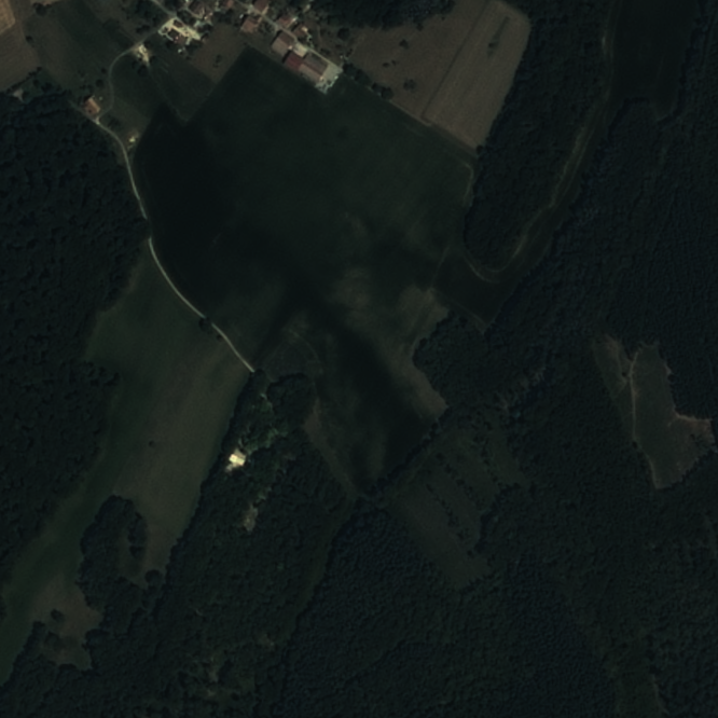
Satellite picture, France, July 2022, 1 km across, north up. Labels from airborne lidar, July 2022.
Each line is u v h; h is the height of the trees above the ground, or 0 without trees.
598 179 31
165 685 25
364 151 0
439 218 0
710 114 22
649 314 14
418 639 9
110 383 9
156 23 10
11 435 29
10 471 29
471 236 21
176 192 0
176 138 0
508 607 14
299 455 20
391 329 0
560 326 25
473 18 0
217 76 0
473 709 10
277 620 23
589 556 20
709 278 18
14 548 22
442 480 0
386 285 0
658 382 0
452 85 0
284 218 0
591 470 18
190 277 0
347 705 20
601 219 24
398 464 0
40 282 24
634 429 0
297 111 0
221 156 0
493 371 31
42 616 0
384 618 16
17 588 0
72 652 0
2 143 27
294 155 0
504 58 0
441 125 0
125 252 26
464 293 0
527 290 22
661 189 17
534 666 15
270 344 0
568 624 19
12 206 30
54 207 30
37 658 16
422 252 0
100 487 0
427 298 0
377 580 13
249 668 17
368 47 0
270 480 20
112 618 21
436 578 12
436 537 0
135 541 21
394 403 0
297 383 21
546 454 21
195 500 0
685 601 10
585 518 18
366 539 30
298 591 22
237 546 16
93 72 0
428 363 15
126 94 0
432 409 0
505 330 23
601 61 17
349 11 20
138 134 0
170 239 0
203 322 11
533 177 30
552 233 0
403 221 0
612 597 18
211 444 0
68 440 24
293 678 28
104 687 27
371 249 0
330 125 0
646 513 17
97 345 0
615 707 18
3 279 29
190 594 20
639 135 21
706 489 13
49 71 0
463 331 23
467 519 0
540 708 17
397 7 23
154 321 0
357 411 0
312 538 26
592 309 23
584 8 32
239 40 0
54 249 27
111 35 0
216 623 20
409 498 0
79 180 28
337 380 0
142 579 0
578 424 18
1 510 23
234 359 0
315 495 15
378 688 16
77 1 0
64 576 0
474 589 14
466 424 27
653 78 0
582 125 17
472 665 14
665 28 0
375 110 0
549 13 27
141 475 0
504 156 29
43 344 33
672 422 0
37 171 31
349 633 18
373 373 0
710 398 16
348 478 0
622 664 6
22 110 11
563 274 24
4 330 26
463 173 0
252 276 0
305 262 0
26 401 32
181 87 0
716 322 11
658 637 21
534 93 27
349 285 0
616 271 24
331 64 0
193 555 24
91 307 20
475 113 0
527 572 18
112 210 24
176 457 0
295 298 0
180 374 0
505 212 26
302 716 28
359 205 0
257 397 22
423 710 12
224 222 0
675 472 0
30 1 0
